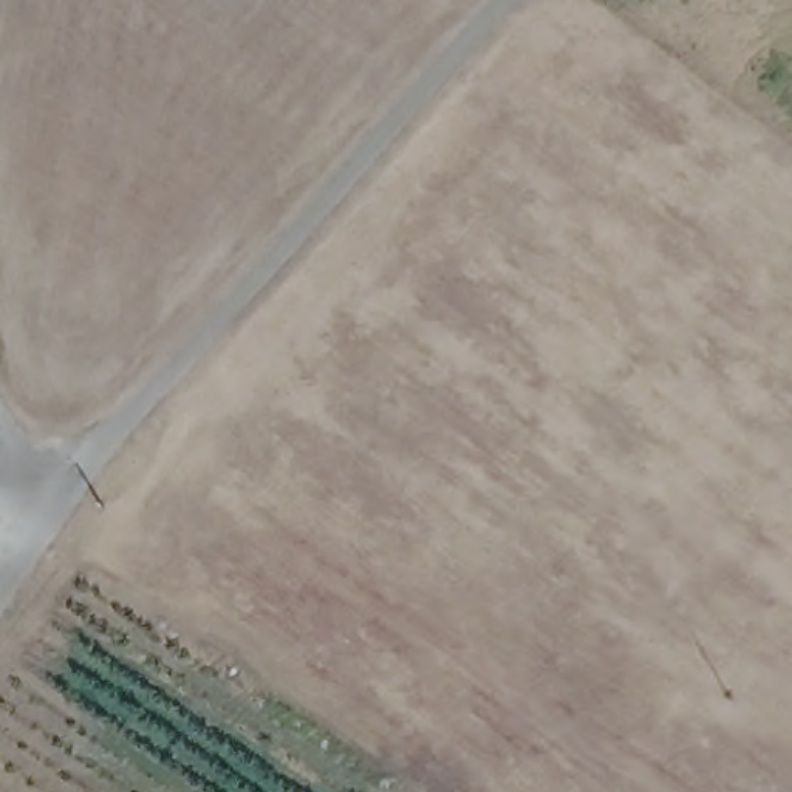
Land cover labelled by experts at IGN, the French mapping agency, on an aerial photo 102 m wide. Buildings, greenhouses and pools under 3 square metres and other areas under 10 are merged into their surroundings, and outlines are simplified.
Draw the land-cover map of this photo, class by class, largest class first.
<instances>
[{"label":"agricultural land","instance_id":"1","mask_svg":"<svg viewBox=\"0 0 792 792\"><path fill-rule=\"evenodd\" d=\"M489 0H0V418L25 439H71L87 427L121 411L124 402H130L142 390L145 368H161L173 356V350L204 322V316L232 294V288L269 251V244L303 213V207L337 173V167L387 118L399 96L433 65V59L467 28V22ZM708 87L699 84L687 68H681L653 43L634 37L597 0H523V9L510 12L501 22L495 40L483 53L467 59L464 74L446 84V93L430 105V114H424L415 124V130L393 149L390 161L368 179V186L356 192L350 207L328 223L325 235L306 251V257L288 272V278L232 334H226L217 343V359L189 365L192 381L183 390H176L142 430H136L133 446L111 449L114 458H108L105 470L93 480L105 504H93L87 486H77V492L71 495L68 523H59L56 538L43 548L40 557L53 569V560H68L71 541L84 551V560L124 575L108 597L127 603L133 613L149 619L158 628V634H167V650L183 644L192 659L220 668L223 687L232 696L244 699L251 708H263V699L257 693L269 690L288 699L291 705L306 708L319 721L331 724L340 739L365 749L384 764L387 780L377 783L381 792H792V149L783 136L767 133L761 127L746 130L733 127L730 121L712 118L705 102Z\"/></svg>","mask_w":792,"mask_h":792},{"label":"herbaceous vegetation","instance_id":"2","mask_svg":"<svg viewBox=\"0 0 792 792\"><path fill-rule=\"evenodd\" d=\"M634 37L653 43L681 68H687L699 84L708 87L705 102L712 118L730 121L733 127L746 130L761 127L767 133L783 136L792 149V121L770 93L758 90V74L749 68V62H767L770 53H783L792 59V0H597ZM124 575L84 560V551L71 541L68 560H53V569L40 557L31 572H22V579L0 594V792H204L183 773H173L158 755L130 743L118 727L65 699L50 681H43L46 671L59 674L68 665V640H74L77 631L99 640L118 659L136 665L149 681L167 687V693L179 696L210 724L223 727L226 733H235L254 752L266 755L288 777L312 786L316 792H381L377 783L387 780L384 764L365 749L340 739L331 724L319 721L306 708L291 705L288 699L269 690L257 693L263 699V708H251L244 699L232 696L223 687L220 668L192 659L183 644L167 650V634H158V628L149 619L133 613L127 603L108 597Z\"/></svg>","mask_w":792,"mask_h":792},{"label":"impervious surface","instance_id":"3","mask_svg":"<svg viewBox=\"0 0 792 792\"><path fill-rule=\"evenodd\" d=\"M523 9V0H489L467 22V28L433 59V65L399 96L387 118L337 167V173L303 207V213L269 244V251L232 288V294L204 316V322L173 350V356L161 368H145L142 390L130 402H124L121 411L87 427L71 439H25L0 418V594L22 579V572H31L40 557L43 548L56 538L59 523H68L71 495L77 492V486H87L93 504H105L93 480L105 470L108 458H114L111 449L133 446L136 430H142L176 390H183L192 381L189 365L217 359V343L226 334H232L288 278V272L306 257V251L325 235L328 223L350 207L356 192L368 186V179L390 161L393 149L415 130V124L424 114H430V105L446 93V84L464 74L467 59L483 53L495 40L501 22L510 12Z\"/></svg>","mask_w":792,"mask_h":792},{"label":"deciduous trees","instance_id":"4","mask_svg":"<svg viewBox=\"0 0 792 792\"><path fill-rule=\"evenodd\" d=\"M43 681H50L65 699L118 727L130 743L158 755L173 773H183L204 792H316L312 786L288 777L266 755L254 752L235 733H226L223 727L210 724L179 696L167 693V687L149 681L136 665L118 659L99 640L77 631L74 640H68V665L59 674L46 671Z\"/></svg>","mask_w":792,"mask_h":792},{"label":"brushwood","instance_id":"5","mask_svg":"<svg viewBox=\"0 0 792 792\"><path fill-rule=\"evenodd\" d=\"M749 68L758 74V90L770 93L792 121V59L783 53H770L767 62H749Z\"/></svg>","mask_w":792,"mask_h":792}]
</instances>
